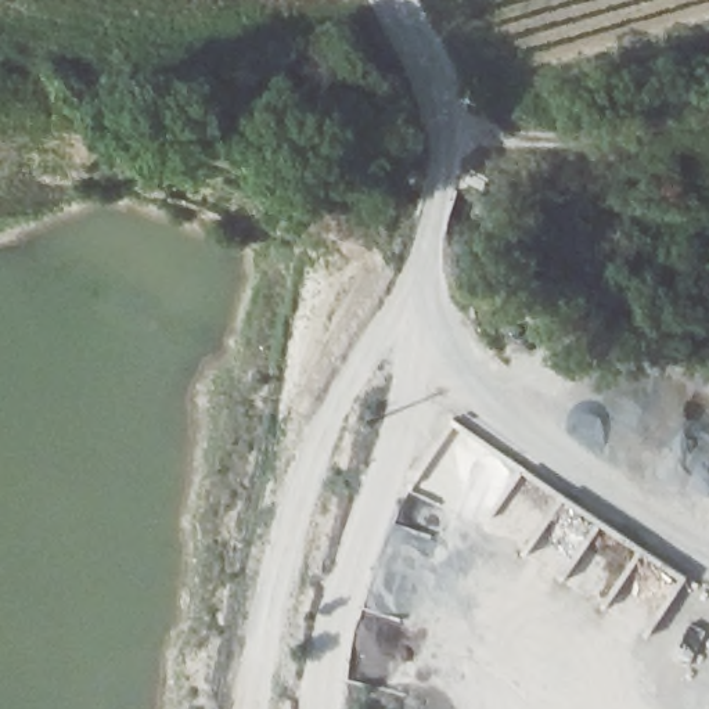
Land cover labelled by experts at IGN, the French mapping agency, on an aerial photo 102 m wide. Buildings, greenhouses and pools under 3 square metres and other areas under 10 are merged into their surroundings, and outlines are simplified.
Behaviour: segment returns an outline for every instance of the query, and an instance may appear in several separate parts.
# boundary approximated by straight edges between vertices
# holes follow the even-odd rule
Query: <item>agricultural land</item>
[[[457,94],[471,97],[471,114],[499,125],[507,136],[515,136],[518,130],[512,111],[537,78],[535,64],[573,61],[576,69],[623,66],[634,80],[634,89],[645,89],[656,58],[684,64],[695,55],[709,55],[709,0],[421,0],[435,33],[443,39],[446,53],[457,69]]]

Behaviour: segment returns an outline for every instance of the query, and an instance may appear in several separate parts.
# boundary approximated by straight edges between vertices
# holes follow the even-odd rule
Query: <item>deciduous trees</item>
[[[266,91],[252,102],[252,108],[238,119],[233,141],[227,144],[219,130],[216,111],[202,105],[208,83],[183,83],[177,72],[163,69],[141,72],[138,78],[122,86],[111,86],[102,91],[94,102],[91,136],[97,136],[97,150],[108,163],[125,163],[130,172],[155,169],[163,172],[163,177],[169,180],[191,177],[194,186],[202,188],[241,186],[246,191],[246,210],[249,216],[255,216],[260,230],[269,233],[271,227],[282,227],[288,233],[307,233],[313,224],[321,222],[305,210],[305,202],[327,199],[332,208],[338,208],[352,194],[341,177],[341,155],[352,144],[349,127],[341,127],[335,119],[302,111],[299,94],[291,89],[285,78],[271,78]]]

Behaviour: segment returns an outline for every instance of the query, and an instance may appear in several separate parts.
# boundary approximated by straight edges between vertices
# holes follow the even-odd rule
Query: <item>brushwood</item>
[[[709,55],[695,55],[684,64],[656,58],[645,89],[634,89],[634,80],[623,66],[576,69],[573,61],[535,64],[537,78],[512,111],[518,130],[551,130],[557,136],[587,133],[595,127],[607,127],[609,122],[643,119],[648,114],[648,105],[667,102],[690,102],[684,114],[687,127],[709,127]]]
[[[341,155],[341,177],[352,194],[379,191],[391,202],[407,194],[407,174],[413,169],[413,155],[421,144],[421,119],[415,111],[413,91],[399,78],[399,72],[382,78],[371,64],[363,61],[363,55],[355,55],[349,44],[352,17],[307,19],[313,28],[313,55],[299,58],[294,69],[288,64],[271,61],[260,64],[255,72],[222,72],[227,78],[227,89],[252,102],[266,91],[271,78],[285,78],[291,89],[299,94],[302,111],[335,119],[341,127],[349,127],[352,144]]]
[[[222,244],[249,244],[269,241],[269,233],[260,230],[255,216],[249,216],[246,210],[230,210],[224,219],[219,219],[216,224],[222,227]]]
[[[83,199],[116,202],[127,197],[133,191],[133,180],[105,177],[75,183]]]
[[[640,216],[656,224],[687,222],[681,210],[662,205],[656,186],[651,186],[648,177],[637,177],[634,191],[623,188],[620,194],[607,194],[607,205],[618,216]]]
[[[357,496],[357,474],[352,474],[349,468],[330,468],[324,487],[335,499],[343,490],[352,490]]]
[[[42,116],[50,116],[53,105],[47,89],[39,83],[36,75],[28,72],[25,78],[19,78],[0,72],[0,114],[8,116],[14,102],[33,102],[33,108]]]
[[[72,55],[55,55],[50,61],[66,91],[72,91],[78,100],[94,102],[102,91],[97,86],[97,72],[86,61]]]
[[[352,679],[349,679],[349,681],[346,681],[346,709],[363,709],[363,706],[366,706],[366,684],[360,684],[360,681],[352,681]]]
[[[673,271],[670,266],[662,266],[656,258],[648,258],[645,252],[634,252],[626,269],[609,263],[604,280],[595,280],[587,277],[587,271],[582,271],[579,266],[557,263],[548,255],[546,224],[532,210],[512,210],[499,224],[476,224],[471,230],[463,227],[460,235],[454,235],[451,241],[446,238],[443,255],[451,266],[451,302],[460,313],[474,310],[476,335],[487,349],[504,352],[515,341],[526,352],[546,349],[546,366],[562,374],[565,379],[579,379],[590,371],[604,371],[615,379],[643,379],[645,363],[651,363],[656,368],[684,366],[687,374],[698,371],[709,382],[709,249],[692,246],[692,271]]]
[[[363,396],[360,404],[360,424],[366,427],[379,427],[385,418],[391,391],[377,385]]]

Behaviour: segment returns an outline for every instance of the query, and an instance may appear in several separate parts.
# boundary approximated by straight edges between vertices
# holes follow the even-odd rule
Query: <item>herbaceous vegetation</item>
[[[626,269],[634,252],[645,252],[648,258],[656,258],[662,266],[670,266],[673,271],[692,271],[692,246],[709,249],[709,127],[687,127],[684,114],[690,102],[667,102],[648,105],[648,114],[643,119],[609,122],[607,127],[595,127],[587,133],[557,136],[554,150],[507,150],[501,158],[490,158],[485,163],[485,169],[479,172],[485,177],[485,188],[465,188],[465,199],[471,205],[471,216],[476,219],[476,224],[499,224],[512,210],[532,210],[546,224],[548,255],[557,263],[579,266],[582,271],[587,271],[587,277],[595,280],[604,280],[609,263]],[[637,177],[648,177],[651,186],[656,186],[662,205],[681,210],[687,222],[656,224],[640,216],[618,216],[607,205],[607,194],[620,194],[623,188],[634,191]]]
[[[299,58],[313,55],[313,28],[307,19],[352,17],[357,14],[357,6],[352,0],[0,0],[0,72],[19,78],[25,78],[28,72],[36,75],[39,83],[47,89],[53,105],[50,116],[42,116],[33,108],[33,102],[14,102],[8,116],[0,114],[0,230],[83,199],[75,183],[105,177],[133,180],[133,191],[127,197],[141,205],[158,205],[166,213],[172,208],[188,208],[194,210],[194,216],[202,210],[213,210],[219,219],[224,219],[230,210],[246,210],[246,191],[241,186],[202,188],[194,186],[191,177],[169,180],[163,177],[163,172],[155,169],[130,172],[125,163],[108,163],[97,150],[97,136],[91,136],[94,102],[78,100],[72,91],[66,91],[50,61],[55,55],[72,55],[86,61],[97,72],[97,86],[102,91],[111,86],[122,86],[138,78],[141,72],[163,69],[177,72],[183,83],[208,83],[202,105],[216,111],[219,130],[227,144],[233,141],[238,119],[252,108],[252,102],[227,89],[227,78],[222,72],[255,72],[260,64],[271,61],[288,64],[294,69]]]
[[[227,346],[197,379],[197,399],[188,402],[188,413],[197,415],[199,429],[191,460],[188,496],[180,518],[180,590],[199,604],[194,612],[194,623],[188,629],[197,648],[202,651],[213,637],[219,637],[216,665],[208,676],[216,709],[233,709],[230,670],[235,656],[244,654],[244,626],[249,618],[246,607],[249,593],[255,590],[246,579],[249,554],[258,543],[258,532],[263,526],[271,526],[277,512],[274,507],[263,504],[263,490],[266,482],[277,474],[280,440],[285,435],[285,429],[280,429],[280,396],[305,274],[316,269],[316,263],[307,255],[310,249],[321,249],[321,255],[335,255],[338,246],[343,246],[343,241],[360,241],[366,249],[377,249],[393,271],[402,274],[415,241],[418,222],[415,210],[410,210],[407,205],[393,208],[391,202],[379,191],[352,194],[338,208],[332,208],[327,199],[305,202],[305,210],[321,222],[313,224],[307,233],[288,233],[282,227],[271,227],[269,233],[269,241],[249,244],[255,249],[258,285],[244,318],[244,338],[238,346]]]

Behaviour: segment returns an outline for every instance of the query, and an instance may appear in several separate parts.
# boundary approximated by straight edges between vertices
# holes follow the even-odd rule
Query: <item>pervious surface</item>
[[[194,623],[194,612],[199,604],[180,590],[180,612],[177,623],[169,631],[163,662],[163,709],[216,709],[208,676],[216,665],[219,637],[213,637],[202,651],[197,648],[188,629]]]
[[[158,205],[141,205],[127,197],[116,202],[83,199],[0,230],[0,244],[11,244],[25,233],[50,227],[83,210],[147,213],[169,230],[194,235],[208,252],[230,255],[244,263],[246,282],[238,299],[235,321],[227,335],[227,346],[238,346],[244,338],[244,318],[258,285],[255,249],[249,244],[222,244],[222,227],[216,224],[219,219],[213,210],[202,210],[194,216],[194,210],[188,208],[172,208],[166,213]]]
[[[501,158],[507,150],[554,150],[557,136],[551,130],[518,130],[515,136],[507,136],[499,125],[471,114],[471,97],[457,94],[457,69],[446,53],[443,39],[435,33],[421,0],[352,0],[357,6],[357,14],[352,17],[349,44],[355,55],[363,55],[363,61],[371,64],[382,78],[399,72],[399,78],[413,91],[415,111],[421,119],[421,144],[413,155],[413,169],[407,174],[407,194],[391,202],[393,208],[407,205],[410,210],[415,210],[418,222],[415,241],[402,274],[393,271],[377,249],[366,249],[360,241],[343,241],[343,246],[338,246],[335,255],[321,255],[321,249],[310,249],[307,255],[316,263],[316,269],[305,274],[280,396],[280,429],[285,429],[285,435],[280,440],[277,474],[266,482],[263,490],[263,504],[274,507],[277,512],[271,526],[263,526],[258,532],[258,543],[249,554],[246,579],[255,590],[249,593],[246,607],[249,618],[244,626],[244,654],[235,656],[230,670],[233,709],[346,709],[346,681],[349,681],[349,679],[352,679],[352,681],[360,681],[360,684],[366,684],[366,706],[363,706],[363,709],[709,709],[709,382],[698,371],[687,374],[684,366],[656,368],[651,363],[645,363],[643,379],[615,379],[604,371],[590,371],[579,379],[565,379],[562,374],[546,366],[546,349],[526,352],[515,341],[504,352],[487,349],[476,335],[474,310],[460,313],[451,302],[451,266],[443,255],[446,238],[451,241],[454,235],[460,235],[463,227],[471,230],[476,224],[476,219],[471,216],[471,205],[465,199],[465,188],[485,188],[485,177],[479,172],[485,169],[485,163],[490,158]],[[377,385],[391,391],[385,418],[379,427],[366,427],[360,424],[360,404],[363,396]],[[349,468],[352,474],[357,474],[357,496],[352,490],[343,490],[335,499],[324,487],[330,468]]]

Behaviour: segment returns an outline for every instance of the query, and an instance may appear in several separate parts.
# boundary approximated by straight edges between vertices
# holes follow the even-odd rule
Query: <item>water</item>
[[[0,709],[163,709],[163,662],[169,631],[177,623],[180,612],[180,590],[180,518],[188,496],[191,460],[199,429],[197,415],[188,413],[188,402],[197,399],[197,379],[227,346],[227,335],[235,321],[238,299],[246,282],[244,263],[230,255],[208,252],[194,235],[169,230],[147,213],[83,210],[50,227],[25,233],[11,244],[0,244]]]

